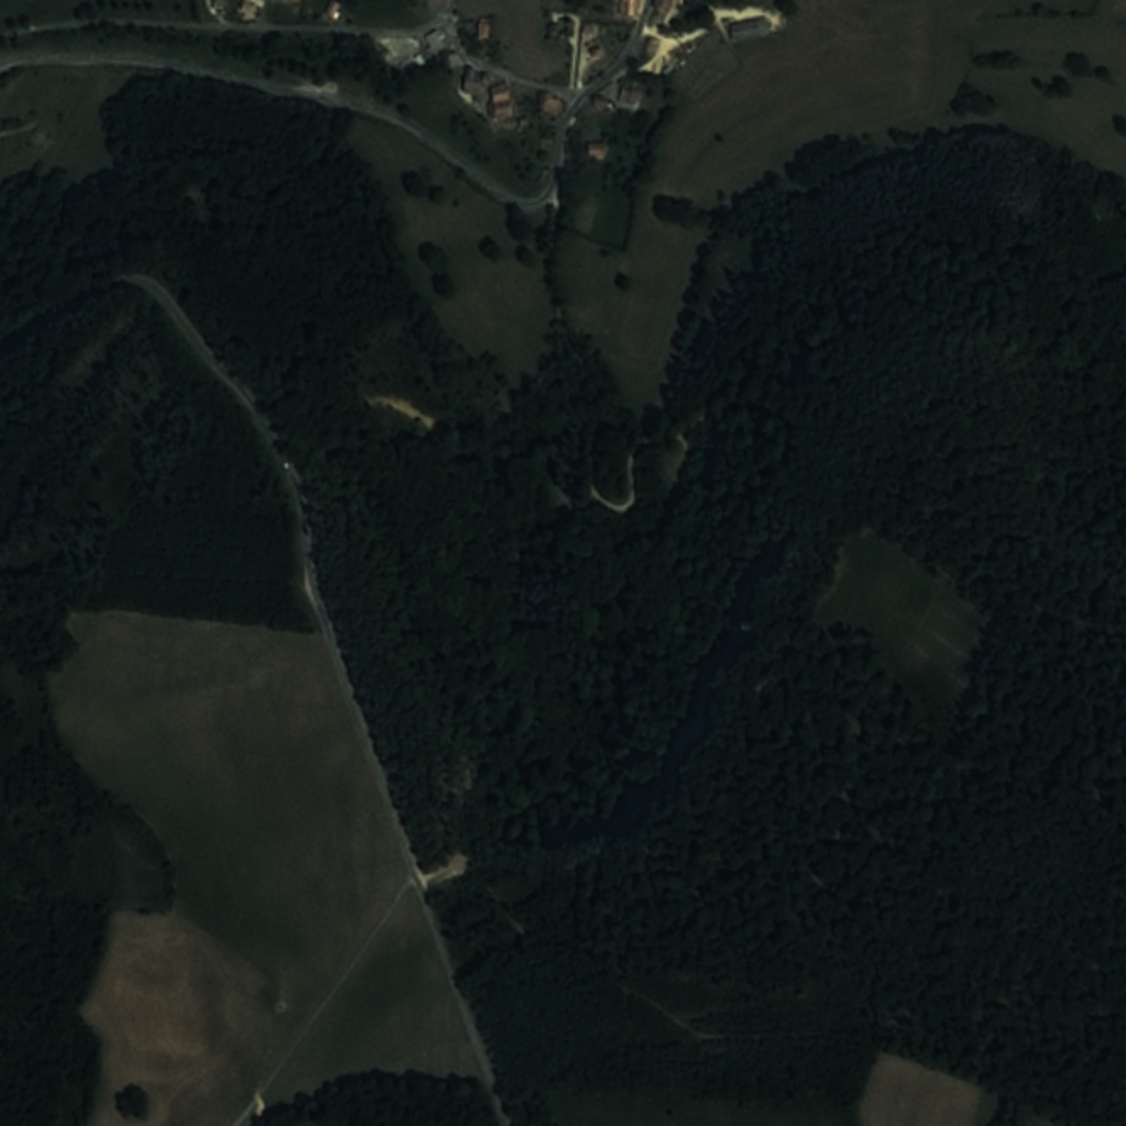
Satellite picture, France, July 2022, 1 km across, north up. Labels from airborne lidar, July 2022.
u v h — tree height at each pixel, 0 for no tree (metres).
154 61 0
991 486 22
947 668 0
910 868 24
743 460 30
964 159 28
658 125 7
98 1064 7
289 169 11
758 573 7
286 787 0
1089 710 26
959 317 26
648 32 0
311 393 34
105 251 17
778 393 30
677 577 24
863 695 26
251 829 0
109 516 29
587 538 36
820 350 27
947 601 0
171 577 10
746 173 0
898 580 0
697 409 17
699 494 18
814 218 19
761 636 12
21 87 0
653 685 36
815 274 31
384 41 0
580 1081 11
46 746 16
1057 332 16
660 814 17
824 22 0
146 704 0
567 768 19
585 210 0
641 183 10
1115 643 22
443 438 27
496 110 0
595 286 0
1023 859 13
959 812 27
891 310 29
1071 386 27
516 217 21
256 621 7
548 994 14
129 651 0
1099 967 17
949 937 21
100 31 12
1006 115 0
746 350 20
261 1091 0
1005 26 0
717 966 19
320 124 21
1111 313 13
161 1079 0
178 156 23
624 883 28
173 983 0
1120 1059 20
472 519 30
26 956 11
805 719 27
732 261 0
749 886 27
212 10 0
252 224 12
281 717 0
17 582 26
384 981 0
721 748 14
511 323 0
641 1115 0
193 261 20
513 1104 20
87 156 0
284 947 0
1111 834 19
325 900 0
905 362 17
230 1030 0
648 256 0
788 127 0
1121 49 0
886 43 0
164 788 0
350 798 0
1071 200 6
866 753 24
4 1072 6
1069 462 18
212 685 0
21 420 22
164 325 14
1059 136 0
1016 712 27
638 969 19
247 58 16
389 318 19
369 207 18
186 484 7
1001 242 28
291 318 16
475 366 23
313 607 0
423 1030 0
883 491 21
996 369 7
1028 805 23
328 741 0
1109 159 0
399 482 36
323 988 0
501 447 31
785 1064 7
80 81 0
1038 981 19
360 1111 27
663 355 0
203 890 0
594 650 20
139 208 12
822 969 17
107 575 7
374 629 13
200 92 16
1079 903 17
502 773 7
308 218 18
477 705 26
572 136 7
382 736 14
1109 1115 14
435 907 15
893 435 20
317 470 32
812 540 16
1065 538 25
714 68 0
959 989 10
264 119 14
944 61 0
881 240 28
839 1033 10
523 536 10
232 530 9
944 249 18
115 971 0
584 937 16
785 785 21
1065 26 0
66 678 0
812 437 22
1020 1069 16
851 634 26
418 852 13
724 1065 7
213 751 0
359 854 0
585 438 23
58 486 9
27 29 12
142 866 0
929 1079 0
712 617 34
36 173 7
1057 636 26
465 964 0
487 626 29
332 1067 0
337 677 0
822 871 26
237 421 13
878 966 14
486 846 39
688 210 21
